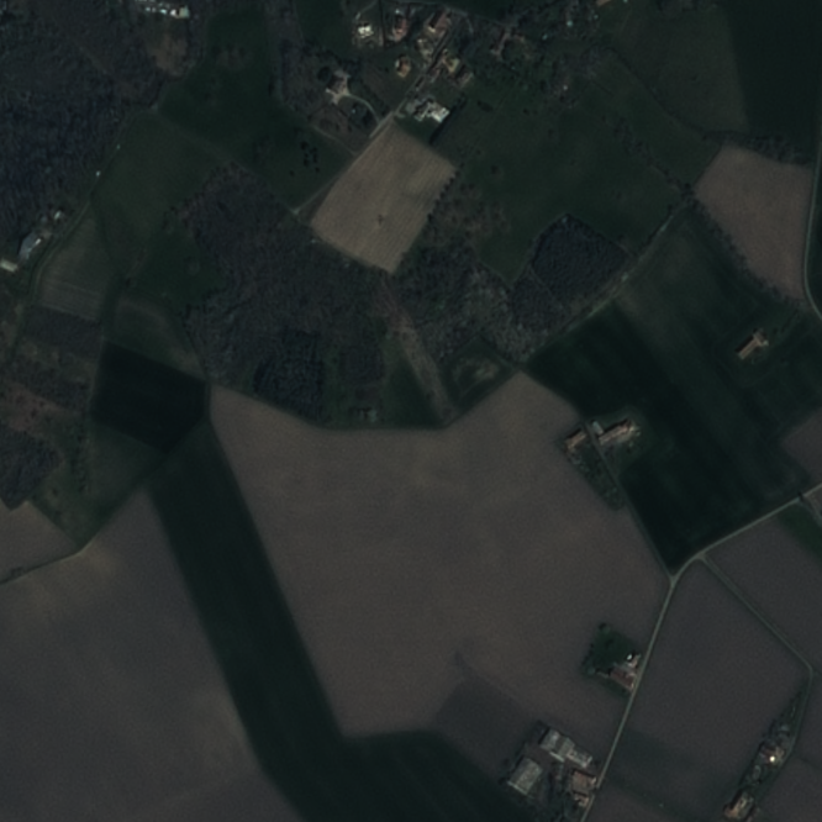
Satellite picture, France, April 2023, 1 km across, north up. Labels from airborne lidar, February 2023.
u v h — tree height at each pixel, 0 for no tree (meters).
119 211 0
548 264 14
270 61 0
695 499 0
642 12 0
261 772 0
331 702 0
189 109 0
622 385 0
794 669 0
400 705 0
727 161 0
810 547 0
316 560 0
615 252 15
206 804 0
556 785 11
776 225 0
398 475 0
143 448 0
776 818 0
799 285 0
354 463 0
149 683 0
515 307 9
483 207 5
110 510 0
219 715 0
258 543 0
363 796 0
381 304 18
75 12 7
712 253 0
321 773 0
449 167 0
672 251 0
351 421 0
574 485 0
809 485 0
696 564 0
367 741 0
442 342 9
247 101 0
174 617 0
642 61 0
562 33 15
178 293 0
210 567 0
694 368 0
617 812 0
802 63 0
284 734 0
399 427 0
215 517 0
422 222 0
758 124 0
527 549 0
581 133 0
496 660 0
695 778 0
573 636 0
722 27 0
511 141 0
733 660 0
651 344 0
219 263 19
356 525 0
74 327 6
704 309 0
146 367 0
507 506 0
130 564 0
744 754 0
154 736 0
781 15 0
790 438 0
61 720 0
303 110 21
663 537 0
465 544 0
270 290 12
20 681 0
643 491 0
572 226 14
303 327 18
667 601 0
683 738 0
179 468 0
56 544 0
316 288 8
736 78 0
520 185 0
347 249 0
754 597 0
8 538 0
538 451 0
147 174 0
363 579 0
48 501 0
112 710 0
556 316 11
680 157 0
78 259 0
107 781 0
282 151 0
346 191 0
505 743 0
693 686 0
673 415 0
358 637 0
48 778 0
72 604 0
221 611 0
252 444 0
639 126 0
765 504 0
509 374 0
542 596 0
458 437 0
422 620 0
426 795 0
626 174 0
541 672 0
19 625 0
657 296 0
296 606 0
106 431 0
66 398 9
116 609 0
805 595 0
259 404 0
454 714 0
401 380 0
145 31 14
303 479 0
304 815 0
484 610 0
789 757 0
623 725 0
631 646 0
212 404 0
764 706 0
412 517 0
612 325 0
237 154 0
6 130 20
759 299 0
